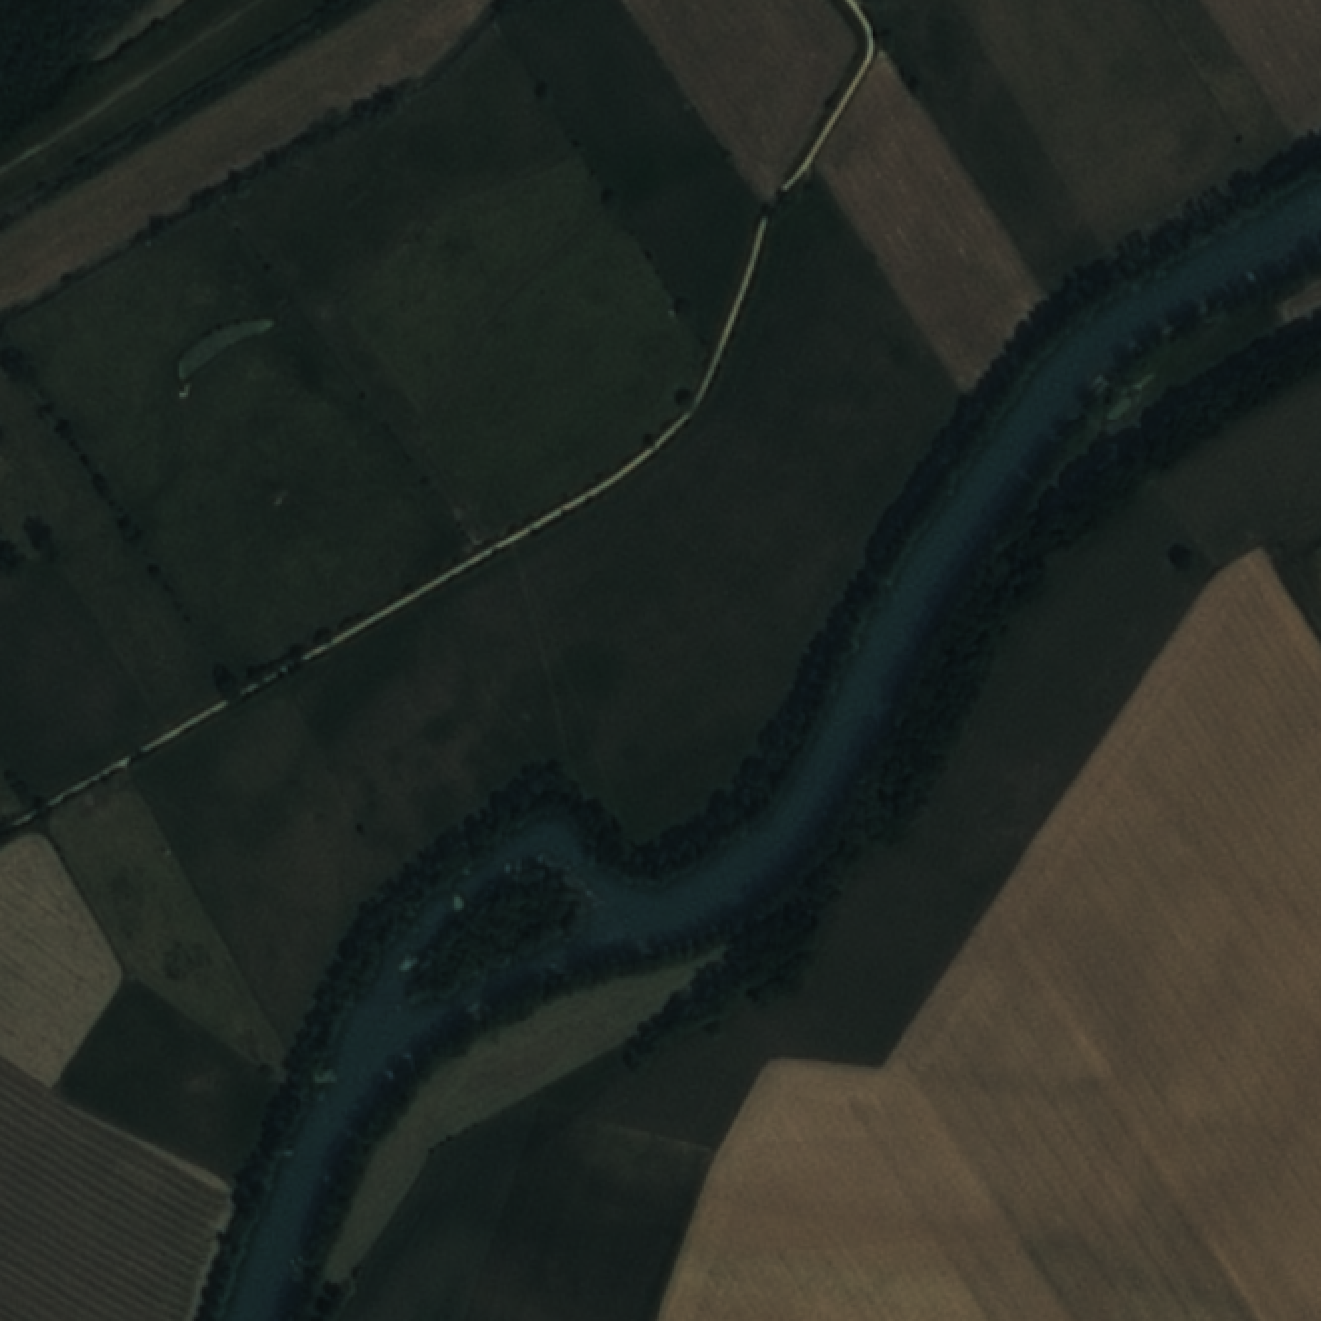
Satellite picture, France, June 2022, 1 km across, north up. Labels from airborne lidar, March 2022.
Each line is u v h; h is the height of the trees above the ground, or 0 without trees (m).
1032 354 25
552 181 0
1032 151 0
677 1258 0
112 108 0
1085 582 0
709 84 0
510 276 0
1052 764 0
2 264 0
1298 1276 0
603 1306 0
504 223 0
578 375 0
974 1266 0
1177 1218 0
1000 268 0
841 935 0
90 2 21
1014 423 0
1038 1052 0
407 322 0
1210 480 0
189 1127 0
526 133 0
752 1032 0
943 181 0
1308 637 0
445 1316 0
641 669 0
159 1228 0
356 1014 0
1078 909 0
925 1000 0
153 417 0
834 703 0
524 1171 0
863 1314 0
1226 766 0
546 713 0
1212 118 0
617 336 0
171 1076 0
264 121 0
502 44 0
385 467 0
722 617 0
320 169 0
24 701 0
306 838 0
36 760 0
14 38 14
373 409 0
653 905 0
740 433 0
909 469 0
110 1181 0
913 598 0
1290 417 0
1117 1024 0
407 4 0
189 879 0
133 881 0
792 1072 0
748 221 0
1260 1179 0
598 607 0
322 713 0
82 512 0
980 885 0
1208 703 0
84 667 0
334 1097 0
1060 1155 0
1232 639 0
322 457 0
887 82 0
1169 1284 0
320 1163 0
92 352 0
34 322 0
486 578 0
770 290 0
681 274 0
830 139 0
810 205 0
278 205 0
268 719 0
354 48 0
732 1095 0
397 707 0
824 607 0
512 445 0
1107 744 0
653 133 0
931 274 0
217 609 0
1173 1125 0
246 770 0
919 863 0
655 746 0
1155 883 0
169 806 0
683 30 0
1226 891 0
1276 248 0
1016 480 0
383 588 0
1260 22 0
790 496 0
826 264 0
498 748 0
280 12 0
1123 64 0
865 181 0
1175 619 0
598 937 0
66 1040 0
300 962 0
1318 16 0
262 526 0
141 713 0
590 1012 0
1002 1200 0
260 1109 0
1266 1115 0
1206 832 0
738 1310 0
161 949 0
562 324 0
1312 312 0
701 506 0
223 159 0
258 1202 5
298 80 0
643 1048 19
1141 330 0
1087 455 0
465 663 0
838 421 0
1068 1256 0
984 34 0
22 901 0
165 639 0
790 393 0
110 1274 0
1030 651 0
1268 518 0
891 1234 0
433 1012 0
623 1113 0
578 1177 0
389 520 0
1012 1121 0
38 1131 0
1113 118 0
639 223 0
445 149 0
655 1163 0
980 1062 0
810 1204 0
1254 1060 0
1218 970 0
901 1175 0
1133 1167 0
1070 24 0
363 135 0
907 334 0
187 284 0
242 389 0
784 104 0
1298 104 0
